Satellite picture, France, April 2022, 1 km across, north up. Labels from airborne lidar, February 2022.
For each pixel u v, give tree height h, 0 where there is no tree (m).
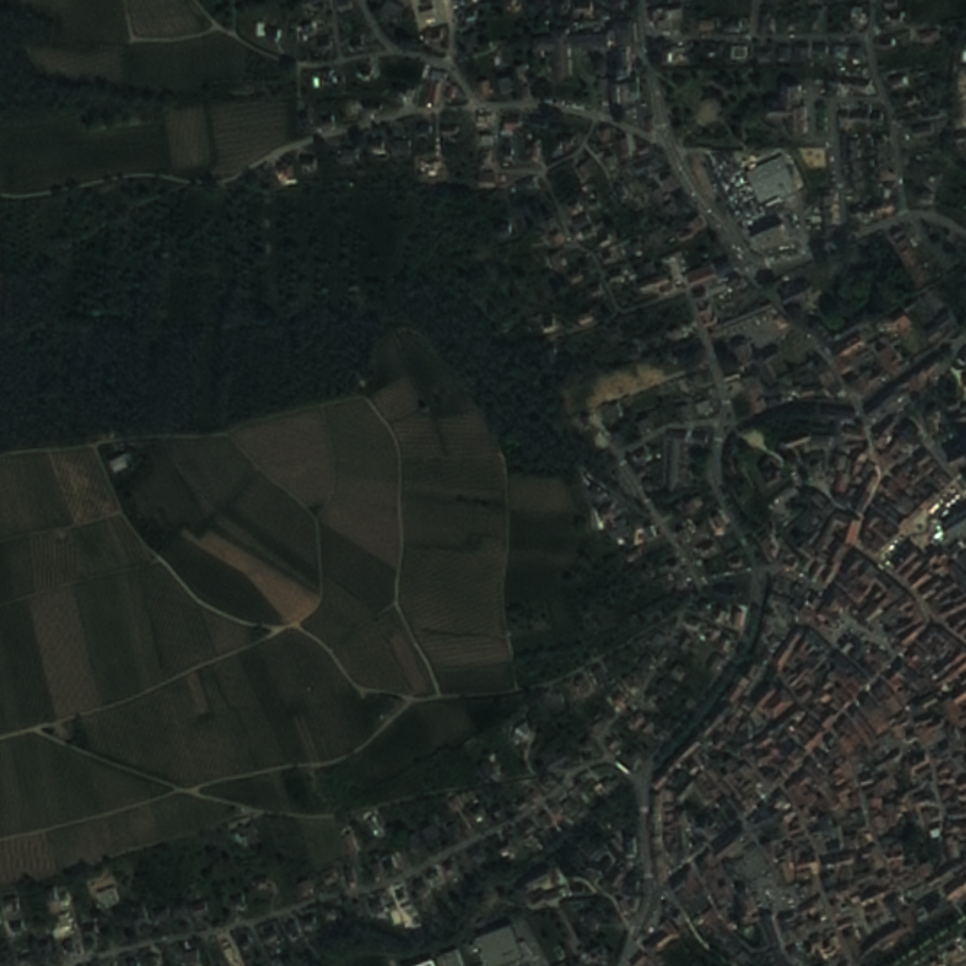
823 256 25
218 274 0
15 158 0
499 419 19
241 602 0
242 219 9
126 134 0
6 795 0
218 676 0
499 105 0
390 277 0
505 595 0
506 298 9
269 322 19
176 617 0
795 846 0
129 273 9
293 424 0
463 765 7
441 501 0
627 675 0
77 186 16
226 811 0
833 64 0
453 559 0
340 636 0
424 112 0
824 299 0
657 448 6
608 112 0
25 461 0
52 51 0
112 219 11
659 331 8
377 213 0
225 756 0
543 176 0
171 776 0
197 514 0
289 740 0
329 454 0
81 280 9
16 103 18
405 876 0
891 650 0
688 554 0
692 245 0
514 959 0
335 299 0
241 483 0
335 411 0
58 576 0
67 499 0
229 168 0
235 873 0
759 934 6
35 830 0
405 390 0
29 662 0
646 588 7
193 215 0
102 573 0
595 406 0
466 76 12
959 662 0
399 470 0
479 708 0
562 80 0
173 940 0
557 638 0
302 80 0
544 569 0
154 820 0
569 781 0
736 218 0
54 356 15
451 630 0
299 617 0
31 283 21
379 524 0
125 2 0
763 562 10
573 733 8
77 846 0
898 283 21
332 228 0
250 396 7
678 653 13
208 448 0
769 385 20
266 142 0
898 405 0
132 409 20
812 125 0
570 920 0
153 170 0
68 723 0
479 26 9
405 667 0
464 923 21
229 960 0
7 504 0
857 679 0
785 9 0
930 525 0
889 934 0
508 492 0
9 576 0
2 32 26
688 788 0
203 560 0
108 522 0
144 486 0
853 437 0
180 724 0
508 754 7
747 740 0
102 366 22
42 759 0
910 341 0
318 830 0
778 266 0
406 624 0
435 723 0
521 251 0
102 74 0
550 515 0
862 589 0
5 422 19
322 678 0
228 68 0
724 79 10
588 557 14
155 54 0
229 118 0
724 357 15
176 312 0
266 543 0
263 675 0
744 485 16
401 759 0
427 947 18
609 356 0
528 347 11
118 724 0
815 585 0
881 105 0
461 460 0
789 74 0
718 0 0
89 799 0
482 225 13
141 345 25
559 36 0
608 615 0
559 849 13
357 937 22
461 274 10
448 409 0
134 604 0
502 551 0
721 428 0
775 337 0
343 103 0
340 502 0
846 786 0
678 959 0
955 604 0
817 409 11
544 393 26
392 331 0
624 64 0
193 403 19
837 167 0
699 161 0
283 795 0
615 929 0
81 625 0
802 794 0
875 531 0
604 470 23
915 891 0
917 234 0
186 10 0
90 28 0
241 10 11
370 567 0
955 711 0
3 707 0
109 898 0
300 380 20
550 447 17
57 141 0
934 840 6
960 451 0
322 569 0
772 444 8
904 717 0
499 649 0
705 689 0
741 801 0
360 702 0
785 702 0
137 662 0
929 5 0
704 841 15
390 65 0
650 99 0
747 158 0
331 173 0
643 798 0
